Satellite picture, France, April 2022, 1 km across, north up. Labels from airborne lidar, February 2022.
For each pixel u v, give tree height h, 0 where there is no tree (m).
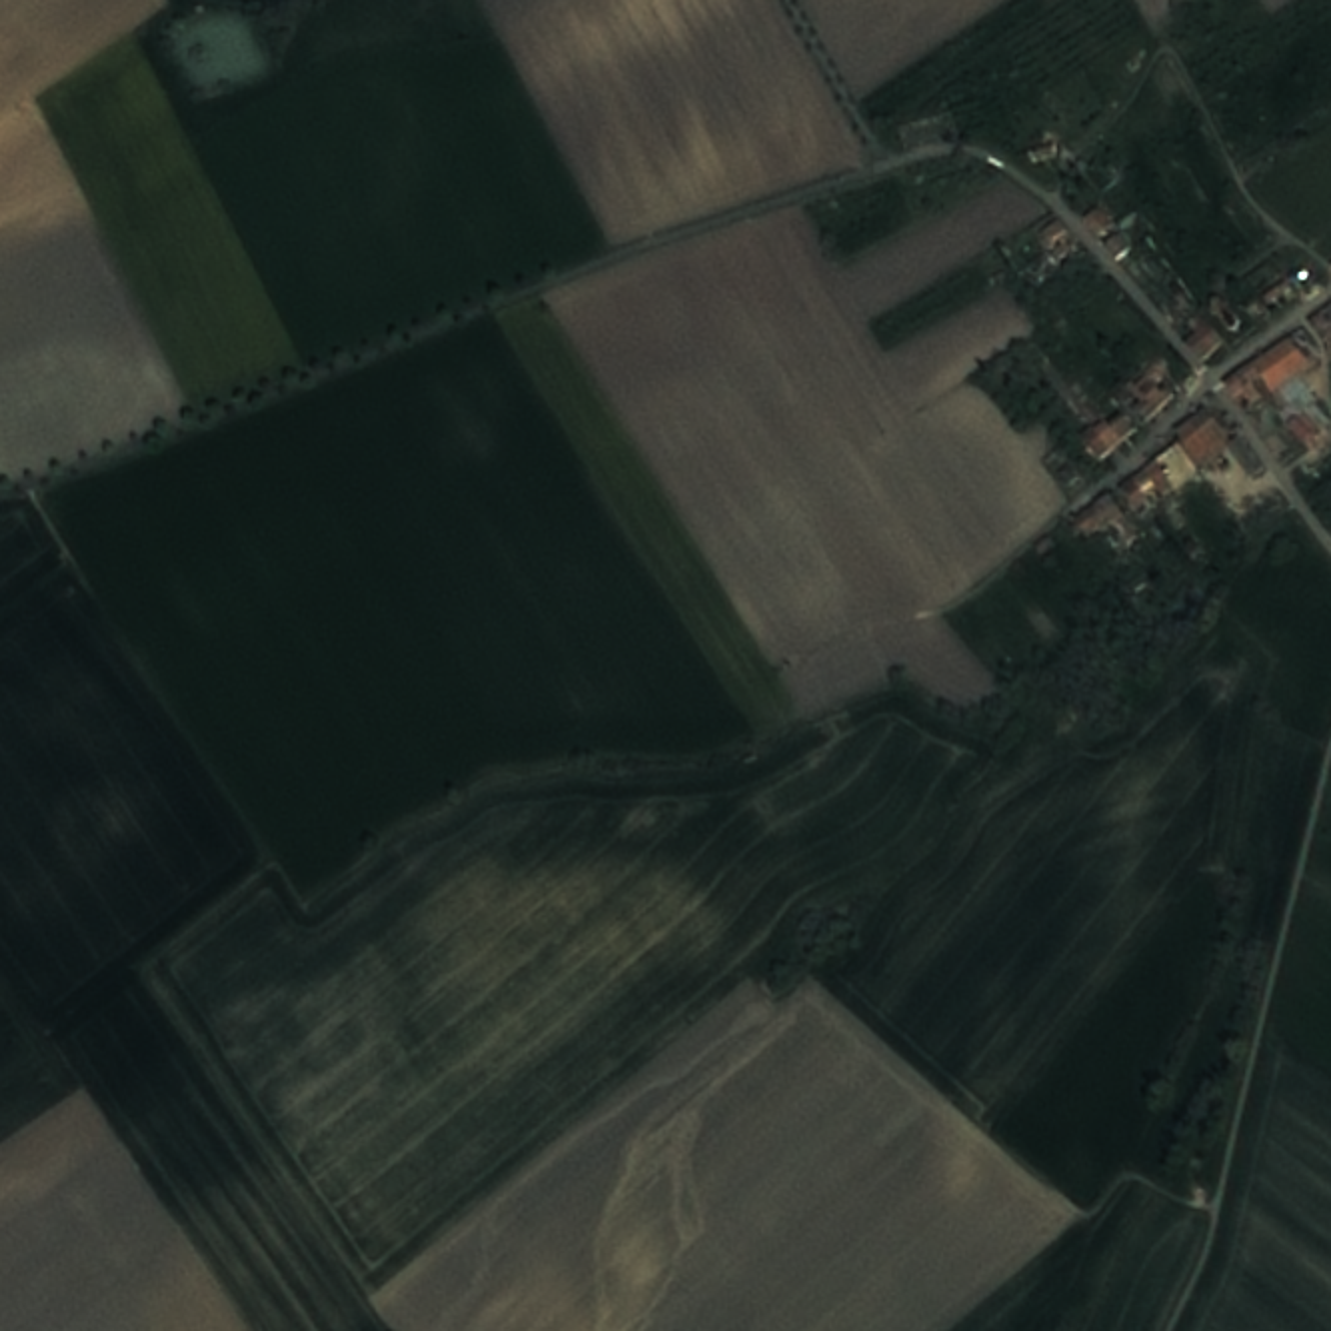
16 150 0
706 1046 0
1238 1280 0
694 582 0
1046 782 0
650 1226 0
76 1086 0
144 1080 0
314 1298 0
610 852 0
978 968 0
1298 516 0
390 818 0
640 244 0
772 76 0
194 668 0
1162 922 0
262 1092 0
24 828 0
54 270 0
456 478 0
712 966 0
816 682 0
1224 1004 0
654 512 0
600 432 0
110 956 0
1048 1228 0
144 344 0
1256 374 0
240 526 0
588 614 0
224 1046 0
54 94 0
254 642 0
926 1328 0
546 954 0
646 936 0
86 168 0
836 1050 0
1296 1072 0
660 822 0
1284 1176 0
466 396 0
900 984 0
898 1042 0
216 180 0
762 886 0
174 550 0
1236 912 17
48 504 0
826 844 0
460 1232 0
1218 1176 0
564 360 0
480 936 0
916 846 0
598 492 0
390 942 0
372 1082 0
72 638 0
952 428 0
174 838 0
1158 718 0
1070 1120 0
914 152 0
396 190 0
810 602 0
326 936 0
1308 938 0
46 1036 0
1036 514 0
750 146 0
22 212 0
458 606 0
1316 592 0
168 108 0
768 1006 0
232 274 0
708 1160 0
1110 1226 0
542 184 0
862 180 0
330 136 0
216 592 0
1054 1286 0
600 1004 0
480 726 0
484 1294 0
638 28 0
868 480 0
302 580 0
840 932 12
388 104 0
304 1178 0
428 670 0
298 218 0
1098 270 6
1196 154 0
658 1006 0
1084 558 0
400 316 0
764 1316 0
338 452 0
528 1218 0
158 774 0
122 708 0
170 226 0
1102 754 0
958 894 0
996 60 0
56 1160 0
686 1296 0
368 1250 0
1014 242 0
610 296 0
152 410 0
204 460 0
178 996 0
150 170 0
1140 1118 0
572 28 0
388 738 0
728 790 0
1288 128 0
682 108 0
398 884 0
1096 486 0
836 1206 0
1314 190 0
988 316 0
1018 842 0
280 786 0
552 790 0
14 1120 0
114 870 0
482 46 0
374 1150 0
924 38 0
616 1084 0
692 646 0
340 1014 0
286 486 0
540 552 0
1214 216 0
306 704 0
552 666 0
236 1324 0
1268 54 0
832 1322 0
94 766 0
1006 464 0
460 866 0
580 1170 0
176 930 0
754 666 0
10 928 0
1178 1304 0
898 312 0
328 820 0
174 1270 0
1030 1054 0
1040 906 0
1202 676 0
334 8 0
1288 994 0
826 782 0
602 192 0
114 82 0
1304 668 0
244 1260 0
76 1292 0
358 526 0
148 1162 0
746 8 0
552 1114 0
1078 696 19
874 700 0
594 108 0
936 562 0
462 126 0
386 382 0
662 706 0
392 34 0
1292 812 0
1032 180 0
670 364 0
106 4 0
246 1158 0
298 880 0
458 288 0
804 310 0
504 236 0
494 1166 0
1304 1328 0
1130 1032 0
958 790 0
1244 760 0
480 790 0
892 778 0
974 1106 0
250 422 0
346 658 0
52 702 0
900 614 0
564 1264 0
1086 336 0
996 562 0
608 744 0
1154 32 0
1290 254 0
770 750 0
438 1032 0
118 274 0
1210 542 0
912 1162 0
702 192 0
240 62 0
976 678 0
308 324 0
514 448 0
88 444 0
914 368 0
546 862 0
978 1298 0
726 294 0
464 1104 0
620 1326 0
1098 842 0
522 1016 0
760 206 0
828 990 0
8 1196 0
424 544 0
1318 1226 0
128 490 0
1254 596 0
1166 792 0
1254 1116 0
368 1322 0
